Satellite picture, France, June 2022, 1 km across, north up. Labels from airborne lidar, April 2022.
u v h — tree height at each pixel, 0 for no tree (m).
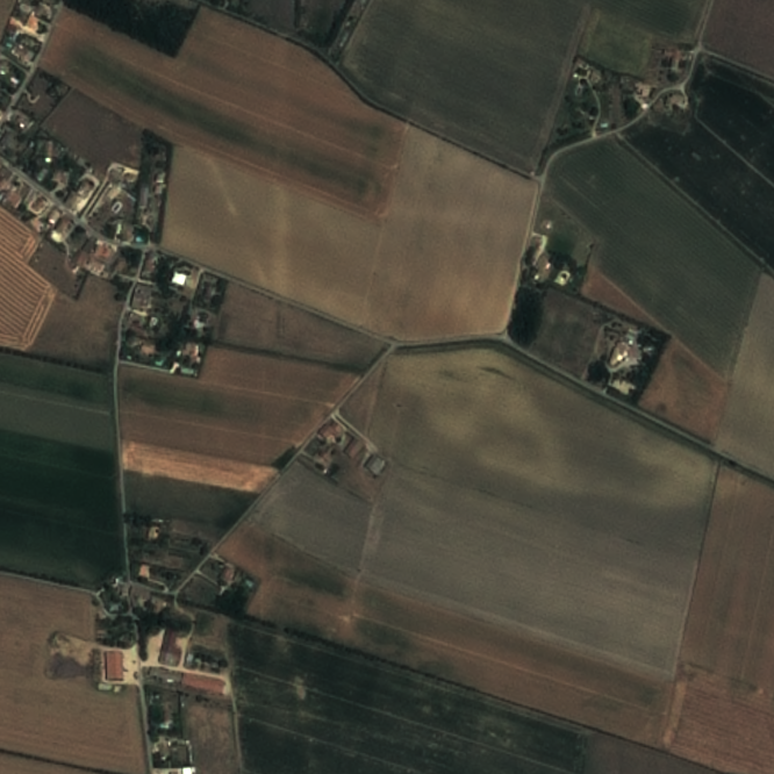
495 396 0
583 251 0
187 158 0
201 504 0
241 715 0
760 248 0
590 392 0
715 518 0
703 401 0
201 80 0
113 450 0
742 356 0
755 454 0
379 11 0
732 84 0
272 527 0
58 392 0
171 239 0
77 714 0
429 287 0
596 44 0
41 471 0
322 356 0
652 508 0
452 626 0
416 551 0
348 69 0
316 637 10
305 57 0
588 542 0
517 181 0
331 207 0
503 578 0
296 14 6
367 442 0
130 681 0
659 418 0
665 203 0
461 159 0
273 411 0
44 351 0
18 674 0
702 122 0
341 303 0
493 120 0
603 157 0
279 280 0
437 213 0
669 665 0
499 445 0
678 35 0
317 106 0
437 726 0
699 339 0
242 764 0
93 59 0
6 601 0
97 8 14
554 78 0
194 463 0
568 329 0
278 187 0
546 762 0
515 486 0
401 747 0
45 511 0
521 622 0
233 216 0
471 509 0
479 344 0
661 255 0
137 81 0
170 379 0
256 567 0
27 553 0
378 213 0
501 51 0
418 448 0
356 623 0
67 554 0
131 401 0
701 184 0
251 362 0
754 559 0
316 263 0
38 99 0
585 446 0
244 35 0
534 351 0
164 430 0
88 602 0
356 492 0
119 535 0
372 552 0
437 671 0
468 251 0
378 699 0
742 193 0
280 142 0
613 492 0
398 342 0
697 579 0
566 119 0
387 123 0
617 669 0
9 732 0
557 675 0
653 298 0
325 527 0
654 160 0
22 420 0
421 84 0
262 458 0
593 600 0
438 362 0
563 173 0
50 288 0
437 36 0
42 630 0
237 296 0
